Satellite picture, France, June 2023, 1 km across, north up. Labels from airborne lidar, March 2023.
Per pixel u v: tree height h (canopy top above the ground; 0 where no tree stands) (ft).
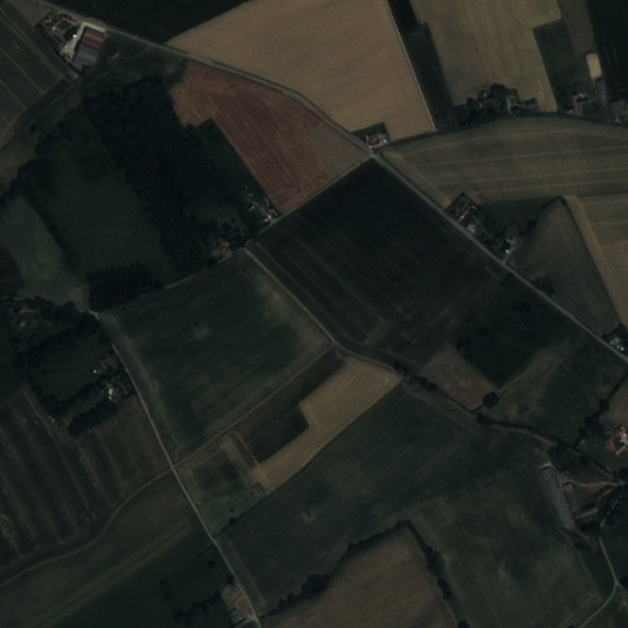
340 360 0
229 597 0
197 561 0
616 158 0
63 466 0
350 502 0
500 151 0
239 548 0
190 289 0
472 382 0
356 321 0
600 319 0
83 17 0
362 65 0
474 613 0
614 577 0
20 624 0
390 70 0
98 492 0
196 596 0
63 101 0
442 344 0
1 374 0
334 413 0
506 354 0
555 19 0
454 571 0
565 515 0
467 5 0
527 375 0
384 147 0
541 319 0
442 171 0
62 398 0
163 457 0
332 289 0
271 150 0
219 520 0
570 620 0
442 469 0
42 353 63
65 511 0
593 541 0
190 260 76
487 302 0
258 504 0
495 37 0
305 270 0
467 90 0
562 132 0
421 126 0
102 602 0
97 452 0
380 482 0
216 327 0
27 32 0
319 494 0
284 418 0
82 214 0
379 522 0
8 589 0
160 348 0
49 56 0
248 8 0
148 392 0
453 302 0
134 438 0
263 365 0
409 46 0
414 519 0
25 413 0
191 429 0
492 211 0
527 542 0
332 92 0
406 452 0
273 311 0
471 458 0
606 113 0
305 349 0
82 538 0
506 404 0
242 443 0
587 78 0
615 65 0
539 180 0
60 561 0
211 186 93
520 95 0
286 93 0
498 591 0
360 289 0
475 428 0
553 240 0
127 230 0
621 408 0
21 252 0
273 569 0
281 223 0
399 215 0
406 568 0
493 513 0
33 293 0
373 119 0
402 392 0
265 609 0
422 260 0
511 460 0
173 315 0
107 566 0
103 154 0
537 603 0
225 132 0
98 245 0
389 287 0
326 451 0
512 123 0
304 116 0
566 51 0
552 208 0
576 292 0
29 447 0
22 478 0
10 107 0
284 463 0
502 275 0
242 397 0
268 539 0
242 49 0
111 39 0
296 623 0
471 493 0
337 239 0
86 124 0
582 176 0
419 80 0
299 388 0
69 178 0
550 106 0
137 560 0
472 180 0
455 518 0
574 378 0
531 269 0
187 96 0
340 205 0
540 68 0
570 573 0
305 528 0
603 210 0
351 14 0
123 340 0
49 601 0
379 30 0
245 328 0
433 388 39
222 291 0
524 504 0
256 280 0
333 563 0
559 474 0
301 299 0
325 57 0
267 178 0
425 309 0
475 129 0
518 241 0
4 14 0
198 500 0
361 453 0
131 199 0
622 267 0
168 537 0
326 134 0
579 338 0
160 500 0
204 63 0
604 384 0
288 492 0
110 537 0
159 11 0
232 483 0
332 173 0
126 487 0
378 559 0
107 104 88
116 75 0
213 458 0
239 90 0
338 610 0
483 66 0
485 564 0
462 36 0
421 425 0
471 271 0
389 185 0
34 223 0
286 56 0
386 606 0
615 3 0
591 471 0
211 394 0
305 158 0
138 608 0
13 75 0
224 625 0
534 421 0
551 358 0
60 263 0
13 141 0
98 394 0
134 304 0
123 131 79
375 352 0
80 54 0
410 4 0
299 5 0
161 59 0
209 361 0
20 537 0
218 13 0
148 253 0
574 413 0
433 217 0
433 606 0
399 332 0
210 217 0
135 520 0
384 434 0
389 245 0
